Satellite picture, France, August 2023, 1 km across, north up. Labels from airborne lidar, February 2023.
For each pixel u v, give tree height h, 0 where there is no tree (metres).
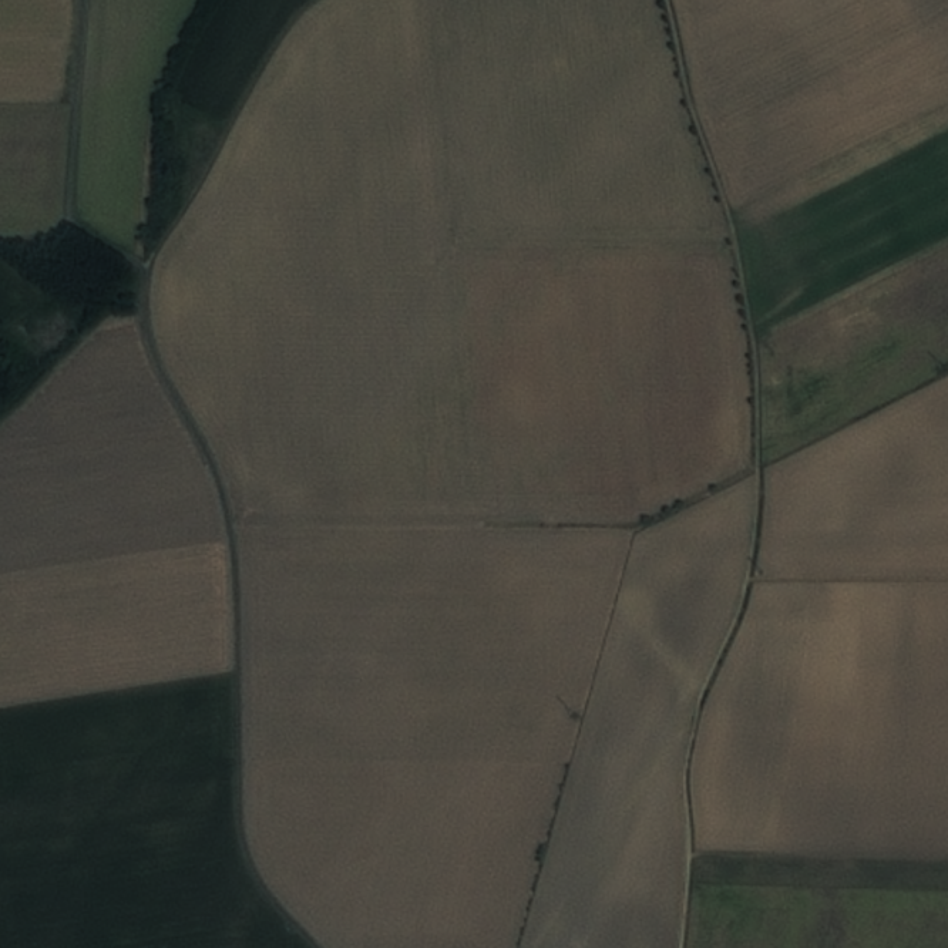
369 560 0
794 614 0
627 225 0
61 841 0
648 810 0
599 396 0
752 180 0
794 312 0
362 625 0
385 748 0
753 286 0
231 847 0
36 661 0
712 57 0
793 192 0
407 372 0
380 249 0
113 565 0
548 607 0
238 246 0
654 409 0
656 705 0
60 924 0
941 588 0
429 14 0
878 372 0
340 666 0
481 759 0
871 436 0
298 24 0
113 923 0
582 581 0
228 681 0
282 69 0
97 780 0
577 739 0
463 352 0
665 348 0
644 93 0
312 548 0
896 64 0
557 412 0
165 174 6
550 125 0
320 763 0
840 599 0
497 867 0
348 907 0
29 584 0
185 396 0
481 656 0
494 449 0
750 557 0
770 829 0
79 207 0
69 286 25
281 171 0
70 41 0
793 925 0
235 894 0
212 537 0
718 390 0
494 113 0
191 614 0
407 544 0
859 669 0
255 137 0
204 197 0
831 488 0
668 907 0
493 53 0
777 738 0
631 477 0
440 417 0
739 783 0
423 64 0
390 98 0
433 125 0
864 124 0
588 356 0
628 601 0
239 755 0
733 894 0
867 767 0
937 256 0
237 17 0
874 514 0
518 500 0
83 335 29
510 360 0
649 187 0
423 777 0
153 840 0
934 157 0
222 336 0
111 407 0
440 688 0
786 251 0
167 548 0
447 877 0
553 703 0
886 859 0
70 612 0
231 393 0
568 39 0
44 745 0
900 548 0
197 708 0
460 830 0
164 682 0
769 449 0
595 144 0
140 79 0
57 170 0
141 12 0
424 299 0
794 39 0
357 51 0
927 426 0
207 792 0
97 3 0
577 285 0
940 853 0
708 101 0
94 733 0
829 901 0
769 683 0
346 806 0
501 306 0
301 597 0
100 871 0
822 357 0
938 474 0
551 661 0
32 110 0
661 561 0
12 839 0
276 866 0
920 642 0
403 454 0
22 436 0
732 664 0
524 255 0
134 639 0
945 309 0
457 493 0
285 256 0
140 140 0
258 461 0
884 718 0
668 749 0
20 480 0
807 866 0
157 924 0
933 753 0
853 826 0
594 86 0
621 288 0
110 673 0
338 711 0
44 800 0
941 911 0
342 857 0
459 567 0
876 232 0
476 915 0
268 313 0
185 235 0
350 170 0
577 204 0
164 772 0
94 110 0
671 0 0
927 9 0
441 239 0
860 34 0
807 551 0
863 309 0
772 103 0
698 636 0
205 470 0
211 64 0
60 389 0
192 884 0
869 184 0
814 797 0
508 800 0
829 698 0
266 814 0
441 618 0
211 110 0
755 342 0
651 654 0
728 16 0
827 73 0
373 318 0
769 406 0
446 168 0
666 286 0
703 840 0
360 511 0
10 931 0
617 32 0
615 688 0
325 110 0
